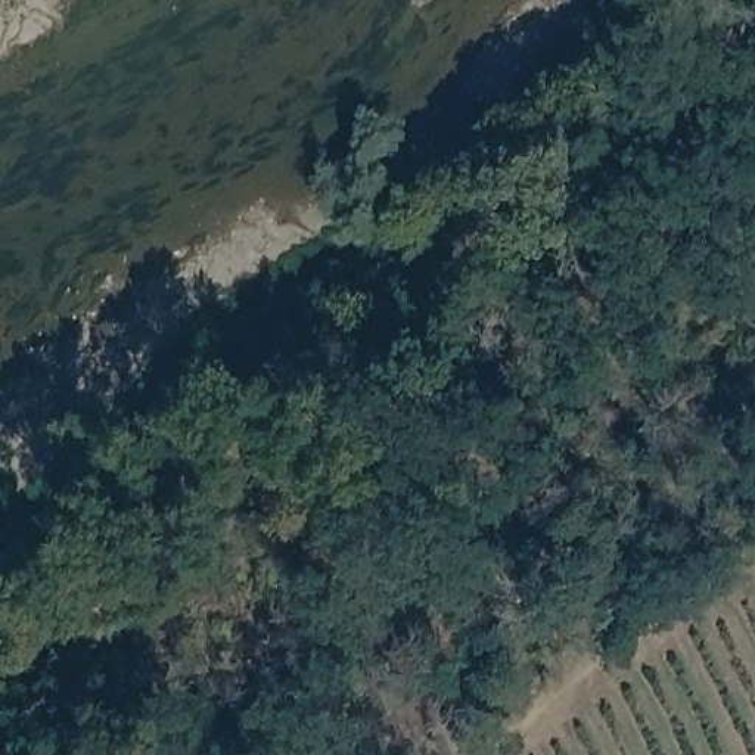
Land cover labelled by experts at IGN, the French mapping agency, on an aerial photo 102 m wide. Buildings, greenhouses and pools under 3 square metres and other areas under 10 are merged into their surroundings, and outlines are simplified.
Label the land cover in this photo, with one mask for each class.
<instances>
[{"label":"deciduous trees","instance_id":"1","mask_svg":"<svg viewBox=\"0 0 755 755\"><path fill-rule=\"evenodd\" d=\"M622 9L637 27L613 29V35L602 47H596L593 59H581L578 65H560L554 71H540L537 83L522 91V100L487 109L484 118L472 124L478 147H472L469 153H457L442 168H428L416 177V183L404 189L386 177V156L398 150L404 136L401 118H389L375 109H357L351 156L345 162L316 168V177L310 183V203H319V212L327 215V224L333 227V245L307 260L295 274L304 283H310L313 307L330 313L336 324L348 333L366 324V313H372L375 304L372 292L380 286H392L398 313L386 321L401 333V339L392 342L386 363H375L360 375L336 378V383H324L321 375L307 378L298 369V363H286L268 383L260 378L254 383H242L224 369H206L201 378H186L180 383L183 401L168 413L127 419L109 442L100 434L86 431L77 416H65L62 422L50 419L44 431V448L50 460L27 493L29 498L41 495L59 504L53 534L38 549V554L27 560L21 572H12L0 581V723L6 726L15 720L18 699L27 693L21 672H27L35 664L44 646L71 643L80 637L109 640L121 631L162 637V625L174 616L192 619L195 610L209 613L230 610V605H245L251 602V557L245 552V537L257 540L260 534H268L292 540L304 528V522L313 525V546L319 549L324 563L333 566V572L316 575L304 569L301 575H289L283 590V599L295 596V619H301V631L310 637V664L304 669V678H292V684H280L274 693L260 696L242 714V728L233 737H227L218 746L212 734V702L192 696L183 687L174 693L162 690V696L156 699H145L142 717H121L97 705H83L68 723L47 728L41 740H9L3 746L6 752L27 755H389L378 746L375 734L363 737L360 720L333 723L321 699H360L351 687V669H360L366 675L378 664L375 643H383L389 616H395L404 608H422L428 610L431 622L445 619L451 634L469 628L475 622V613L481 610V602L493 596L498 587L510 584L504 549H490L481 531L487 525H501L519 501H528L563 469V445L569 451L599 460L602 466L616 469L625 481H646L661 487L669 478V469L661 460V442L646 439L643 431H634L628 442L613 439V416L602 410V401L622 398L631 380H661L664 375H672L678 386L661 395V404L687 407V401L711 392L714 369L708 354L717 345L728 354V363L749 366L755 386V0H625ZM605 124H613L622 133L640 127L646 139L658 142L655 153L634 156L625 150L622 180L613 186L610 198H596L587 209L578 198L566 195V180L569 171H587L599 165V159L608 153V139L602 133ZM466 212H484L493 224L490 233L481 239V251H463V257H451V262L439 260V265L428 268L422 277V298L410 304L407 280L416 274L410 262L434 245L436 230L448 218ZM504 301L522 304L525 316L513 321V342L528 351L516 357L519 378L510 380V395L504 401H484L481 386L475 380L457 383L451 378V366L457 360H472L469 342L475 336V321H484ZM165 460H186L198 478V487L183 493L180 507H171L168 513H153V507L118 513L112 510L109 498H91L97 493V478H88V469L94 463L109 469L130 493L150 495L156 478L147 472L159 469ZM693 472V481L699 484V501L693 513L684 510V501L678 495H669L667 501L652 498L646 510L637 507L634 534L619 543L610 531V522H590L596 501L572 504L554 522L552 537L584 540V557L554 566V584L540 599L546 610H554V622L543 637L557 640L566 637L569 625H575L578 619L590 622V634L599 640V658L605 669L628 667L640 634L667 631L672 628V622L699 628V634H693L690 640L711 681L717 684L737 734L743 737L746 755H755V737L717 667L702 622L705 608L714 605L720 596H728L737 578L746 575V566L755 563V410H743V416L717 422L705 436L702 454L684 463ZM516 646H504L501 634L490 628L478 637L475 655L466 658V664L439 667V675H428V684L422 687L425 696L434 693L442 699V714L448 720L445 726L463 755H516L522 749V734L507 731L504 723L510 717L528 714L531 702L546 690V675H537L525 664H516ZM667 661L675 672V684L699 720L711 755H728L705 699L693 687L684 661L678 658V652L669 649ZM646 740L649 755H664L661 740L646 723V714L637 708V693H622Z\"/></svg>","mask_w":755,"mask_h":755},{"label":"herbaceous vegetation","instance_id":"2","mask_svg":"<svg viewBox=\"0 0 755 755\"><path fill-rule=\"evenodd\" d=\"M602 133L608 139V153L599 159V165L587 171H569L566 180V195L578 198L587 209L596 198H610L613 186L622 180L625 150L634 156L655 153L658 142L646 139L640 127L622 133L613 124H605ZM493 224L484 212H466L448 218L436 230L434 245L410 262L416 274L407 280L410 304L422 298V277L428 268L439 265V260L451 262V257H463V251H481V239L490 233ZM333 227L327 224L319 230V236L292 245L277 260H262L254 274H245L230 286L233 292L224 301H218L215 283L186 316L189 327L174 342L177 351L165 354L147 372V378H142L130 389V401L121 410L127 419L168 413L183 401L180 383L186 378H201L206 369H224L242 383H254L260 378L268 383L286 363H298V369L307 378L321 375L324 383H336V378L360 375L375 363H386L392 342L401 339V333L386 321L398 313L392 286H380L372 292L375 304L372 313H366V324L348 333L336 324L330 313L313 307L310 283H304L295 274L307 260L333 245ZM525 316L522 304L504 301L484 321H475V336L469 342L472 360H457L451 366V378L457 383L475 380L481 386L484 401H504L510 395V380L519 378L516 357L528 351L513 342V321ZM728 354L717 345L708 354L714 369L711 392L687 401V407L661 404V395L678 386L672 375H664L661 380H631L622 398L602 401V410L613 416V439L628 442L634 431H643L646 439L661 442V460L669 469V478L661 487L646 481H625L616 469L602 466L599 460L569 451L563 445V469L528 501H519L501 525H487L481 531L490 549H504L510 584L498 587L493 596L481 602V610L475 613V622L469 628L451 634L445 619L431 622L428 610L422 608H404L395 616H389L383 643H375L378 664L366 675L360 669H351V687L360 699H321L333 723L360 720L363 737L375 734L378 746L389 755H463L445 726L448 720L442 714V699L434 693L425 696L422 687L428 684V675H439V667L466 664V658L475 655L478 637L490 628L501 634L504 646H516V664H525L537 675H546V690L531 702L528 714L510 717L504 723L507 731L522 734V749L516 755H649L646 740L622 693H637V708L646 714V723L661 740L664 755H711L699 720L675 684V672L667 661L669 649L678 652V658L684 661L693 687L705 699L728 755H746L743 737L737 734L717 684L711 681L690 640L693 634H699V628L672 622V628L667 631L640 634L628 667L605 669L599 658V640L590 634V622L578 619L575 625H569L566 637L557 640L543 637L554 622V610H546L540 599L554 584V566L584 557V540L552 537L554 522L572 504L596 501L590 522H610V531L619 543L634 534L637 507L646 510L652 498L667 501L669 495H678L684 501V510L693 513L699 501V484L693 481V472L684 463L702 454L705 436L717 422L743 416V410H755V386L749 366L728 363ZM156 478L150 495L130 493L109 469L94 463L88 469V478H97V493L91 498H109L112 510L118 513L153 507V513H168L171 507H180L183 493L198 487V478L186 460H165L159 469L147 472ZM59 504L41 495L29 498L27 493L15 484L12 472L0 469V581L12 572H21L27 560L38 554V549L53 534ZM245 552L251 557V602L245 605H230V610L209 613L195 610L192 619L174 616L162 625V637L121 631L109 640L80 637L71 643L44 646L35 664L27 672H21L27 693L18 699L15 720L6 726L0 723V755H27L6 752L3 746L9 740H41L47 728L68 723L83 705H97L121 717H142L145 699H156L162 696V690L174 693L183 687L192 696L212 702V734L218 746L227 737H233L242 728V714L260 696L274 693L280 684H292V678H304V669L310 664V637L301 631V619H295V596L283 599V590L289 575H301L304 569L316 575L333 572V566L324 563L319 549L313 546V525L304 522V528L292 540L268 534H260L257 540L245 537ZM717 667L755 737V563L746 566V575L737 578L728 596H720L714 605L705 608L702 622Z\"/></svg>","mask_w":755,"mask_h":755},{"label":"water","instance_id":"3","mask_svg":"<svg viewBox=\"0 0 755 755\"><path fill-rule=\"evenodd\" d=\"M62 6V24H53L44 35H38L29 44L12 47V53L0 50V357L12 360L15 342L53 333L62 319H74L86 310L100 313L112 292L124 289L130 262H139L153 248L174 254L177 248H198L209 239V227L215 218L230 215L236 221V212L254 206L260 198L265 201V209L274 201H292L295 206L310 203V183L316 177V168L345 162L351 156L357 109H375L389 118H401L404 136H413L419 124L431 121L442 109L460 106L481 74L507 77L510 65L534 56L543 41V27H549L552 21L546 12L566 9L569 0H56Z\"/></svg>","mask_w":755,"mask_h":755},{"label":"bare soil","instance_id":"4","mask_svg":"<svg viewBox=\"0 0 755 755\"><path fill-rule=\"evenodd\" d=\"M53 24H62V6L56 0H0V50L12 53V47L29 44L38 35H44ZM625 0H569L566 9L546 12L552 21L549 27H543V41L534 56L510 65L507 77L481 74L460 106L442 109L431 121L419 124L413 136H404L398 150L386 156V177L404 189L416 183V177L428 168H442L457 153H469L472 147H478L472 124L484 118L487 109L522 100V91L537 83L540 71H554L560 65H578L581 59H593L596 47H602L613 35V29L637 27L622 9ZM327 224V215L319 212V203H310L295 206L292 201H274L265 209V201L260 198L254 206L236 212V221L230 215L215 218L209 227V239L198 248H177L174 254L153 248L139 262H130L124 289L112 292L100 313L86 310L74 319H62L53 333L15 342L12 360L0 357V469L12 472L15 484L27 493L50 460L44 448V431L50 419L62 422L65 416H77L86 431L100 434L109 442L127 419L121 410L130 401V389L142 378H147V372L165 354L177 351L174 342L189 327L186 316L215 283L218 301H224L233 292L230 286L245 274H254L262 260H277L292 245L319 236V230Z\"/></svg>","mask_w":755,"mask_h":755}]
</instances>
